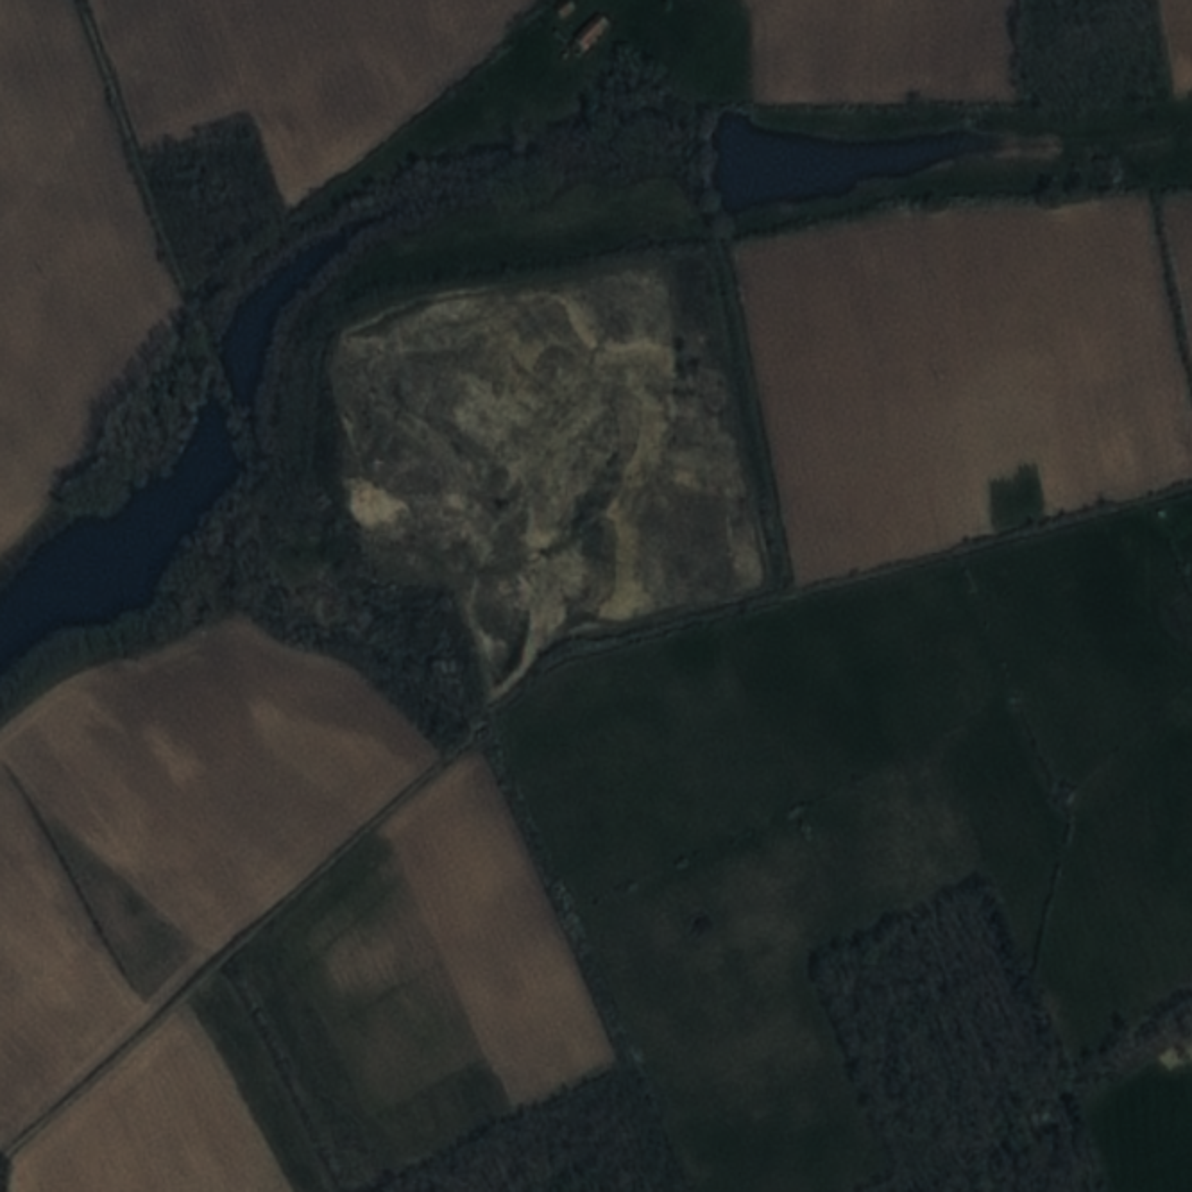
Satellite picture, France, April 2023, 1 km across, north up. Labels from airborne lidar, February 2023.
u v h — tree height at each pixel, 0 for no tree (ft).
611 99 56
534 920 0
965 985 80
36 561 0
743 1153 0
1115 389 0
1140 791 0
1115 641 0
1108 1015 0
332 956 0
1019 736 0
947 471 0
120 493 67
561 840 0
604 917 0
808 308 0
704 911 0
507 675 0
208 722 0
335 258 50
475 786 0
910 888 0
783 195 0
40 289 0
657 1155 37
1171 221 0
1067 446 0
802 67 0
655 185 0
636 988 0
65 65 0
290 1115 0
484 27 0
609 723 0
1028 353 0
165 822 0
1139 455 0
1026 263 0
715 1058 0
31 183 0
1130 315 0
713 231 55
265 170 34
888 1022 33
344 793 0
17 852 0
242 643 0
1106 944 0
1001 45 0
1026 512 0
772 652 0
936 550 0
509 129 0
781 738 0
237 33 0
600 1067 0
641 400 0
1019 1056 73
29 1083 0
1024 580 0
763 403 0
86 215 0
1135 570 0
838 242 0
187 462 0
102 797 0
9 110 0
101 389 0
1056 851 0
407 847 0
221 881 0
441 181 45
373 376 0
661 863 0
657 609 0
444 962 0
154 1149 0
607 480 0
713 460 0
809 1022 0
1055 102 60
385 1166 0
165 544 0
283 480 54
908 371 0
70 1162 0
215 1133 0
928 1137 46
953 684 0
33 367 0
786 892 0
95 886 0
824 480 0
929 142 0
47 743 0
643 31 0
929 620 0
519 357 0
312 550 0
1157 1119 0
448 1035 0
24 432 0
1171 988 0
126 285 0
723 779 0
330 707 0
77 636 73
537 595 0
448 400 0
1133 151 0
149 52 0
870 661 0
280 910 0
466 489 0
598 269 0
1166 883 0
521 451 0
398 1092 0
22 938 0
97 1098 0
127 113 0
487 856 0
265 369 56
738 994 0
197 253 33
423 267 0
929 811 0
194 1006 0
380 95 0
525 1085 0
